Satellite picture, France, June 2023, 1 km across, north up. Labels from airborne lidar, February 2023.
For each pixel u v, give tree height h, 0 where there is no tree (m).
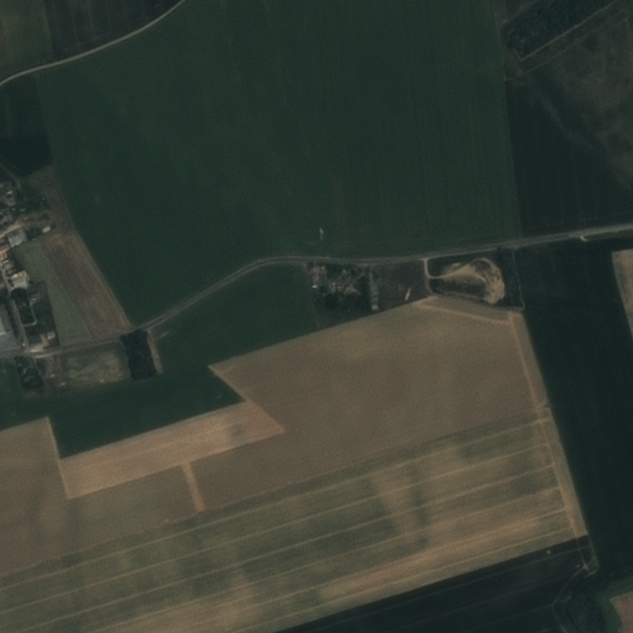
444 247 0
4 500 0
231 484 0
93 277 0
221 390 0
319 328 0
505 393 0
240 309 0
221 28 0
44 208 0
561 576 0
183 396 0
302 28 0
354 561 0
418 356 0
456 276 0
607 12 0
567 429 0
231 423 0
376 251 0
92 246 0
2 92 0
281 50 0
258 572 0
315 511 0
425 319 0
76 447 0
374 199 0
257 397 0
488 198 0
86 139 0
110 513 0
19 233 0
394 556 0
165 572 0
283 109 0
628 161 0
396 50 0
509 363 0
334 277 0
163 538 0
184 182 0
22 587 0
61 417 0
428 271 0
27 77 0
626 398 0
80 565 0
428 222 0
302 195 0
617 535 0
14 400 0
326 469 0
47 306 0
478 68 0
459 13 0
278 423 0
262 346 0
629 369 0
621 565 0
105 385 0
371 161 0
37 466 0
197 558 0
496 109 0
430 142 0
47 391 0
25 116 0
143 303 0
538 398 0
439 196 0
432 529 0
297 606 0
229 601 0
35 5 0
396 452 0
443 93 0
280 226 0
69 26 0
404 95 0
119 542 0
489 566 0
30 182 0
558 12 13
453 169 0
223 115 0
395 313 0
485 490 0
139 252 0
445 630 0
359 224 0
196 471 0
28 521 0
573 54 0
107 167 0
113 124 0
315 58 0
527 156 0
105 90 0
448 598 0
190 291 0
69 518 0
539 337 0
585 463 0
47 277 0
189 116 0
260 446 0
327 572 0
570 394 0
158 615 0
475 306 0
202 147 0
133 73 0
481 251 0
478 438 0
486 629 0
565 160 0
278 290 0
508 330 0
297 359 0
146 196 0
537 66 0
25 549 0
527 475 0
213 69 0
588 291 0
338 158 0
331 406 0
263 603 0
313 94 0
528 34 12
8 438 0
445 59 0
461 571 0
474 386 0
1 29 0
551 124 0
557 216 0
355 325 0
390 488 0
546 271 0
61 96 0
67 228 0
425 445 0
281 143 0
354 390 0
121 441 0
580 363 0
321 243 0
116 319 0
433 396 0
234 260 0
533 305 0
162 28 0
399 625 0
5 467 0
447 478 0
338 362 0
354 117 0
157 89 0
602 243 0
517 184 0
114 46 0
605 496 0
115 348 0
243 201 0
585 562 0
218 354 0
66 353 0
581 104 0
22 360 8
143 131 0
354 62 0
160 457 0
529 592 0
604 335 0
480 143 0
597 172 0
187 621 0
